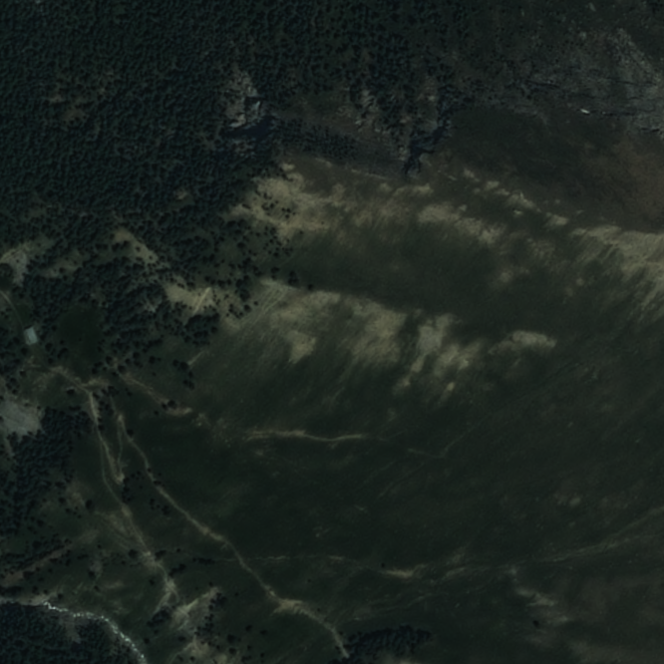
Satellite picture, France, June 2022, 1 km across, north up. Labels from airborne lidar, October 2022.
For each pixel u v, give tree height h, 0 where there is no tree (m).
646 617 0
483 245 0
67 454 13
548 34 0
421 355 0
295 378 0
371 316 0
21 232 13
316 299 0
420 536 0
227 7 15
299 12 10
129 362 11
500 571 0
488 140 0
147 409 0
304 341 0
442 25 10
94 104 10
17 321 0
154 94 18
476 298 0
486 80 0
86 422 8
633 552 0
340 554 0
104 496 0
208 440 0
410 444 0
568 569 0
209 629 8
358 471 0
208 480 0
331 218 0
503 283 0
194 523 0
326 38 14
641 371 0
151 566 0
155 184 13
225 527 0
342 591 0
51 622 6
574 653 0
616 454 0
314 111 0
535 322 0
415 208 0
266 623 0
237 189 17
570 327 0
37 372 0
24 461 24
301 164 0
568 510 0
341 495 0
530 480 0
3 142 22
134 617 0
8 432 0
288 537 0
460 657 0
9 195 15
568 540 0
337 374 0
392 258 0
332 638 0
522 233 0
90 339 0
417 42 0
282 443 0
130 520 0
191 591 0
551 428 0
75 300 22
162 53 19
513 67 6
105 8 17
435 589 0
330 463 0
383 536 0
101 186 16
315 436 0
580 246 0
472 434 0
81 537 0
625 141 0
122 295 13
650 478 0
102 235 21
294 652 0
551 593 0
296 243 0
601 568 0
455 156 0
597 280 0
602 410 0
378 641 19
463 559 0
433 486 0
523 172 0
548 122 0
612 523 0
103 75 13
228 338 0
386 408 0
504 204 0
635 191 0
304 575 0
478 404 0
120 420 0
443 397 0
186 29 13
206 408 0
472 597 0
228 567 0
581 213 0
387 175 0
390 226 0
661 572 0
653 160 0
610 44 0
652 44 0
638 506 0
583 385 0
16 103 25
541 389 0
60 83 9
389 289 0
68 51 8
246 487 0
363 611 0
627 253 0
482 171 0
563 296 0
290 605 0
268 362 0
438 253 0
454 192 0
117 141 14
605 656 0
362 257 0
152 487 0
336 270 0
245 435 0
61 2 16
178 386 0
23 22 10
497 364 0
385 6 7
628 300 0
